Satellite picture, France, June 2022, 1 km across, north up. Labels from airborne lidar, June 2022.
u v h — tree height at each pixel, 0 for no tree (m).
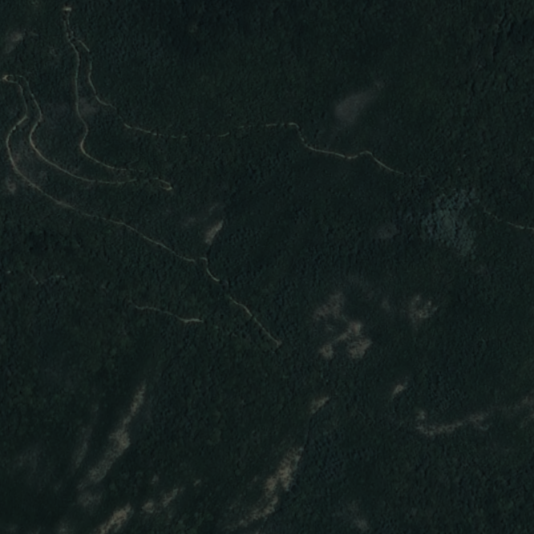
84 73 6
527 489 15
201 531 9
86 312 13
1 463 6
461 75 16
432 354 12
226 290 18
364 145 6
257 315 8
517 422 7
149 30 10
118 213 8
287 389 17
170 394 8
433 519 12
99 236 12
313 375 12
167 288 10
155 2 15
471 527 13
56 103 8
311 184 5
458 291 8
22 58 20
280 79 8
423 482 15
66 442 6
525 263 11
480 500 12
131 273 15
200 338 10
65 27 10
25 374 13
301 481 10
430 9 11
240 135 17
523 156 14
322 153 6
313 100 8
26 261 17
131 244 6
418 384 12
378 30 10
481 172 10
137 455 11
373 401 6
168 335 11
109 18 10
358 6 11
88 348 11
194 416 14
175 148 14
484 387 7
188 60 12
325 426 11
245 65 10
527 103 17
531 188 13
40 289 12
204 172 12
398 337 10
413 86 9
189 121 7
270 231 7
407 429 10
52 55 6
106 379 10
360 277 7
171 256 8
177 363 14
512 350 9
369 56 8
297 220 16
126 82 6
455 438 11
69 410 8
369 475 7
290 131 7
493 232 7
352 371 12
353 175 6
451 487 20
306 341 6
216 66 11
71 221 8
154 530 6
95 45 6
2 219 13
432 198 15
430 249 12
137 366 7
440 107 10
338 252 13
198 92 7
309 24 13
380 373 7
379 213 8
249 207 5
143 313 12
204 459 7
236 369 10
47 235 18
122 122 10
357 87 7
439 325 10
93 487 6
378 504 8
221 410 13
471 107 17
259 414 13
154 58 15
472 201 15
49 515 8
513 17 16
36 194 8
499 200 8
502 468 7
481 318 7
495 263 9
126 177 11
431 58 9
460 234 20
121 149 9
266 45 13
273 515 6
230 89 10
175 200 7
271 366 14
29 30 11
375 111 9
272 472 6
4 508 6
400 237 9
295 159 7
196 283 13
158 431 13
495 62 16
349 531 6
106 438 6
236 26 15
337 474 15
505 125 14
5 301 15
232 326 15
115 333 15
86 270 15
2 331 13
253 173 8
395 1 12
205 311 11
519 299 6
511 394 6
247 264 8
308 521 6
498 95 16
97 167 6
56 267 12
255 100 13
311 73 9
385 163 8
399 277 6
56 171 8
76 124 6
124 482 9
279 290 7
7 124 7
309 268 11
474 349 12
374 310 8
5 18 6
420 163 7
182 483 5
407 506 12
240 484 8
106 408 7
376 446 6
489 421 6
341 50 12
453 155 12
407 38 9
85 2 7
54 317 9
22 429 15
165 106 6
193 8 19
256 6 16
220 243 6
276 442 6
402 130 7
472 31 18
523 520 14
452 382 9
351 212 6
